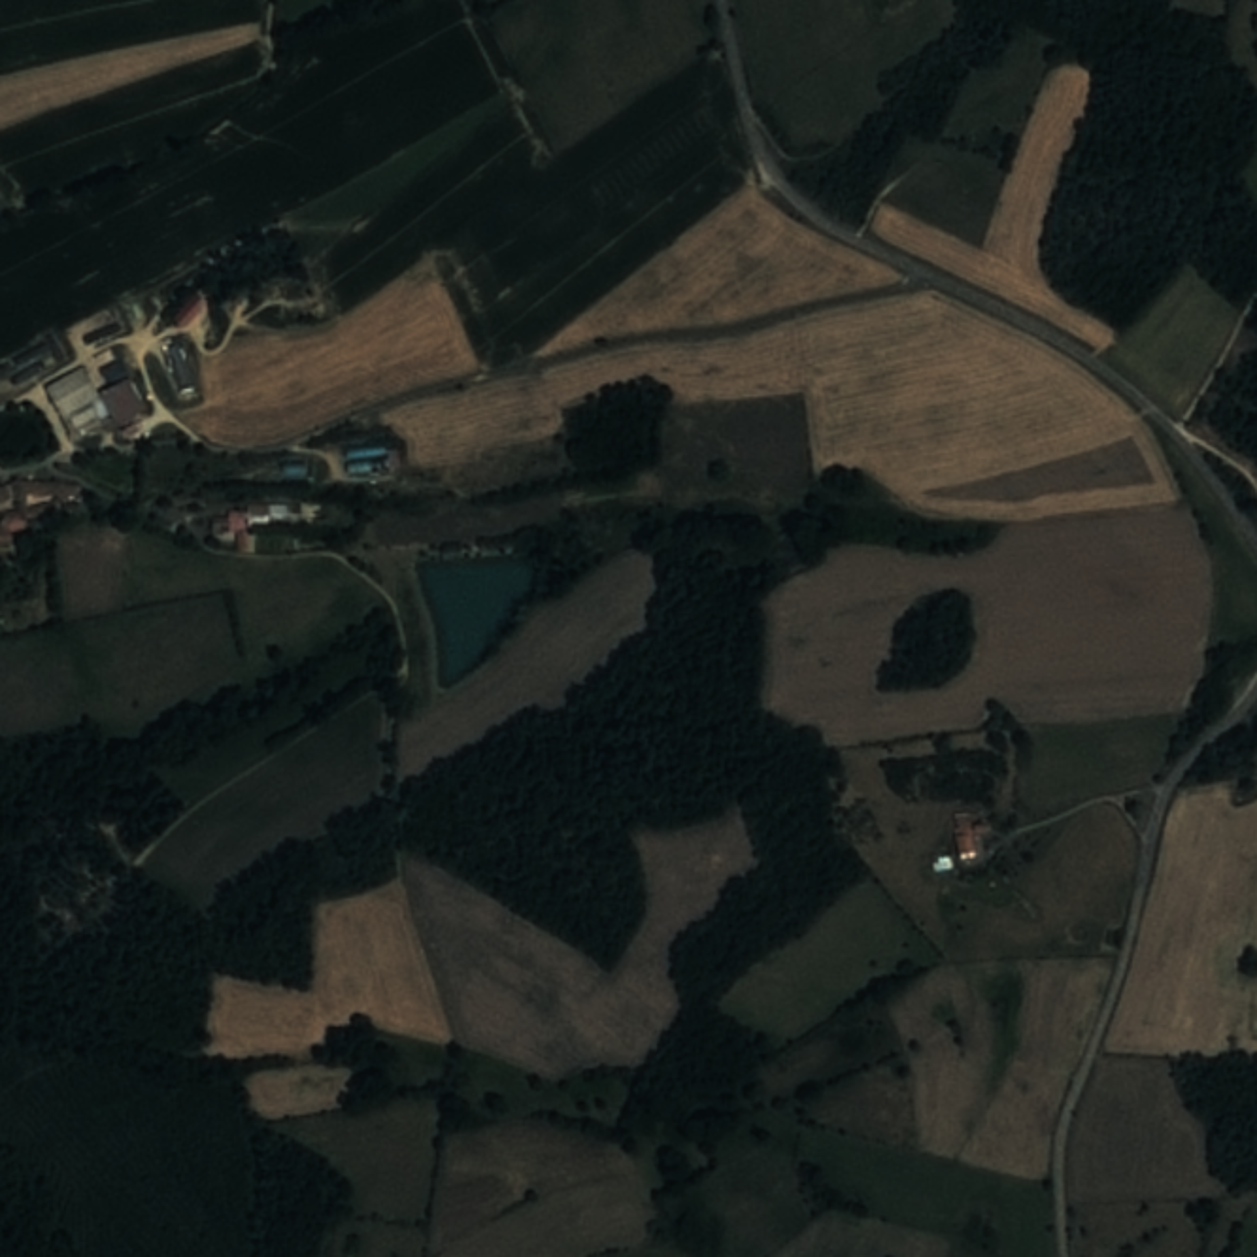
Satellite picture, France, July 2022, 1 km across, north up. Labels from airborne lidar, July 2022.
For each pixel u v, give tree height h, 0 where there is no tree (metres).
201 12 0
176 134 0
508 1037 0
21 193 0
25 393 0
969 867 0
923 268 0
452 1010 0
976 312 0
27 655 0
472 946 0
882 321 0
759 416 0
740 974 13
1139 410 0
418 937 0
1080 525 0
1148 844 0
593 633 0
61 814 22
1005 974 0
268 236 17
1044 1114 0
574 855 11
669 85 0
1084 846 0
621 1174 0
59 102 0
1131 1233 0
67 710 0
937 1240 0
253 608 0
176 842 0
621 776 28
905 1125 0
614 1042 0
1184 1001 0
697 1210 0
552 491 9
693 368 0
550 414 0
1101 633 0
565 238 0
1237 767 7
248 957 8
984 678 0
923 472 0
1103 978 0
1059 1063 0
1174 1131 0
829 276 0
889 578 0
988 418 0
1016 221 0
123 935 17
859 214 5
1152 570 0
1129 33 10
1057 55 14
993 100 0
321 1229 12
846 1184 0
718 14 7
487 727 0
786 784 14
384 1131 0
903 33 0
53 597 11
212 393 0
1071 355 0
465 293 0
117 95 0
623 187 0
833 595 0
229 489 11
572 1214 0
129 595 0
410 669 0
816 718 0
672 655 12
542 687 0
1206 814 0
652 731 19
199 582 0
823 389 0
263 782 0
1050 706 0
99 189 19
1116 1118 0
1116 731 0
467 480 0
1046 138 0
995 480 0
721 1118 22
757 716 9
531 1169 0
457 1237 0
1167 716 0
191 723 22
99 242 0
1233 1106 5
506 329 0
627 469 13
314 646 0
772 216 0
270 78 10
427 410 0
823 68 0
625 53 0
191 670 0
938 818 0
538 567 7
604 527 28
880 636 0
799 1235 0
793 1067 0
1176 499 0
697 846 0
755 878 11
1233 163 15
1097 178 6
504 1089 0
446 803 6
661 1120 20
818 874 8
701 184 0
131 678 0
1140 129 14
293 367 0
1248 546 0
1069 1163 0
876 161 10
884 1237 0
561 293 0
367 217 0
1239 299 12
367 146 0
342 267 0
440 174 0
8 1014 17
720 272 0
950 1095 0
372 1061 16
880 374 0
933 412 0
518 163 0
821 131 0
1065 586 0
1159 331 0
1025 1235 0
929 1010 0
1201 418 6
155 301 0
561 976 0
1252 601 0
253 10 0
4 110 0
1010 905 0
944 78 6
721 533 18
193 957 9
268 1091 0
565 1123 11
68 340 0
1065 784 0
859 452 0
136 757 24
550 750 13
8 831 26
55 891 17
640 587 0
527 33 0
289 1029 0
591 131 0
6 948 16
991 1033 0
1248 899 0
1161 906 0
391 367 0
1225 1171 8
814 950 0
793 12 0
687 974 13
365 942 0
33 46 0
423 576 0
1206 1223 13
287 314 0
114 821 13
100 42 0
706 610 10
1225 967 0
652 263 0
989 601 0
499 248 0
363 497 11
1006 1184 0
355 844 15
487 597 0
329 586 0
